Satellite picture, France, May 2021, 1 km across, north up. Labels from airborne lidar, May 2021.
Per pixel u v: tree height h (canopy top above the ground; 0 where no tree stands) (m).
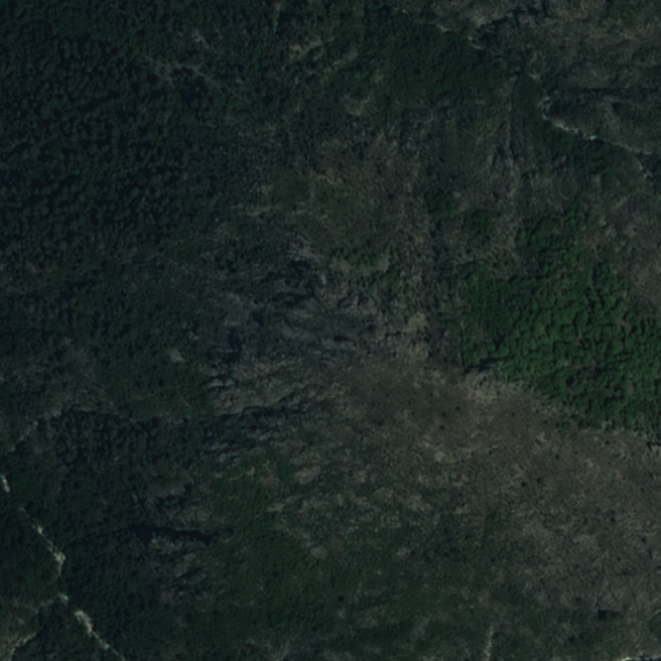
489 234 7
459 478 10
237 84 6
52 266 27
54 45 34
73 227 18
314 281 9
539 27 7
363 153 13
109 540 8
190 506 6
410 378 0
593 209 13
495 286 11
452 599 7
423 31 10
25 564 11
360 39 16
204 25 8
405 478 7
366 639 6
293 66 18
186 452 8
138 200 12
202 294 10
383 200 8
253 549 5
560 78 7
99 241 13
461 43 8
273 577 9
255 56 12
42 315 7
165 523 12
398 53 6
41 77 28
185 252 7
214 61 9
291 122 8
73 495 6
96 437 6
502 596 12
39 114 11
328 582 9
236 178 11
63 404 8
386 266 0
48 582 16
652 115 6
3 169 8
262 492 12
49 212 23
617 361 14
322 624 7
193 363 8
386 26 9
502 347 23
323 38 11
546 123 20
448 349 7
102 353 19
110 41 12
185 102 8
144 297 6
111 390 8
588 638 8
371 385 0
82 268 7
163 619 6
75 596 7
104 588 6
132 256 8
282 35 13
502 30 7
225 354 6
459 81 13
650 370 12
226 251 7
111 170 9
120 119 9
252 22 22
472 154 6
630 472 0
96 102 15
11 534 23
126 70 12
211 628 9
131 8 17
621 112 22
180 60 8
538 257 9
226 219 9
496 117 9
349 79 7
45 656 11
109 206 29
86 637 16
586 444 0
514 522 6
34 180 8
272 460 8
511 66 15
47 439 12
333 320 0
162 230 19
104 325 8
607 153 17
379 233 5
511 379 13
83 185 30
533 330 8
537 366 11
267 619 8
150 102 27
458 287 6
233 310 0
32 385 12
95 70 9
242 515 6
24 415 12
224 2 7
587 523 7
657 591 0
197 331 14
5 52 7
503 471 0
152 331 12
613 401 19
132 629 8
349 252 7
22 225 8
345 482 7
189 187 9
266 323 19
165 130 19
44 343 10
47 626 7
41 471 11
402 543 12
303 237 8
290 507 7
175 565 11
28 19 33
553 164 11
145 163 28
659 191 13
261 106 6
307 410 8
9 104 8
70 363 6
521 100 10
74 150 7
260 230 8
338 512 7
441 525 10
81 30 13
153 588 9
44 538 22
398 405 0
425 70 6
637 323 19
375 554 6
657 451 0
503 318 17
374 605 6
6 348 12
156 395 6
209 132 6
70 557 15
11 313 6
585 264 12
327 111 6
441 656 8
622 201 7
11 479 8
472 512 7
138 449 19
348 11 12
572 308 17
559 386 18
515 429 0
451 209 12
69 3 15
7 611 7
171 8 10
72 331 7
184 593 12
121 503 13
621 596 0
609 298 19
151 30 8
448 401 0
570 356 15
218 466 9
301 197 0
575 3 12
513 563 11
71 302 23
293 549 9
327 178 9
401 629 6
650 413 9
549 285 7
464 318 9
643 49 9
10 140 8
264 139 5
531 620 9
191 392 6
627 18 10
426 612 6
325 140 14
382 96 8
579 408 13
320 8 10
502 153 11
